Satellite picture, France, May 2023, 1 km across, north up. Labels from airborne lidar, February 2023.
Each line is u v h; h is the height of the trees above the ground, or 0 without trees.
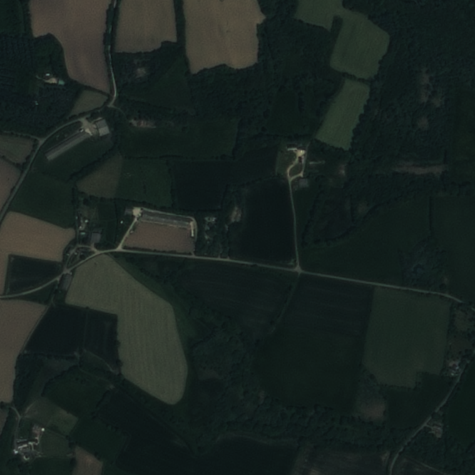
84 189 0
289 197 0
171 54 13
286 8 8
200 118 13
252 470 0
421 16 20
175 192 10
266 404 13
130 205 10
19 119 14
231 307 0
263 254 0
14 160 0
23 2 16
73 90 10
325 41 15
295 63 0
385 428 7
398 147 7
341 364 0
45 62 6
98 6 0
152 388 0
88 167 8
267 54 13
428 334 0
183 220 0
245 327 0
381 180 11
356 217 16
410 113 11
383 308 0
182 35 8
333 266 0
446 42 20
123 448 0
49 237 0
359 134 24
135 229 0
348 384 0
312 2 0
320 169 0
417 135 8
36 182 0
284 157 0
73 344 0
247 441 0
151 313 0
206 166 0
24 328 0
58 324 0
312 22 0
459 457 15
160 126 0
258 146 19
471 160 0
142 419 0
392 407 0
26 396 9
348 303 0
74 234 0
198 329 0
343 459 0
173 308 0
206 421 0
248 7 0
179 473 0
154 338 0
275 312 0
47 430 0
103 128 0
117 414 0
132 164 0
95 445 0
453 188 17
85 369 12
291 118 0
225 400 8
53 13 0
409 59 14
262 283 0
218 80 15
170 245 0
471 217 0
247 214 0
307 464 0
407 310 0
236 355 8
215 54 0
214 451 0
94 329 0
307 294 0
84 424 0
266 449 0
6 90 12
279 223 0
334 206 0
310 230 13
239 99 10
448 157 14
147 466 0
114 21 9
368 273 0
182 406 0
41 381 0
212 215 14
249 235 0
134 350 0
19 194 0
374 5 17
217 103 13
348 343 0
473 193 17
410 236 0
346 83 0
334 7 0
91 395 0
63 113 14
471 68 16
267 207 0
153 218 0
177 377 0
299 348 0
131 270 0
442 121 15
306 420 11
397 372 0
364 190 12
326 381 0
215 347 8
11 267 0
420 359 0
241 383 8
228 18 0
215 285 0
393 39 13
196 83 14
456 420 0
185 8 0
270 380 0
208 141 0
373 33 0
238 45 0
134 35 0
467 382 0
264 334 0
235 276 0
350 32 0
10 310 0
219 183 0
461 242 0
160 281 7
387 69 6
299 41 13
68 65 0
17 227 0
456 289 0
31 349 0
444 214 0
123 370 0
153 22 0
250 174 0
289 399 0
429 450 14
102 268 0
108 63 8
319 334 0
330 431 9
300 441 14
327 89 6
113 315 0
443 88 12
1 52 19
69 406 0
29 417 0
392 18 17
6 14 16
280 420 8
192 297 10
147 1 0
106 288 0
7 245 0
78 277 0
